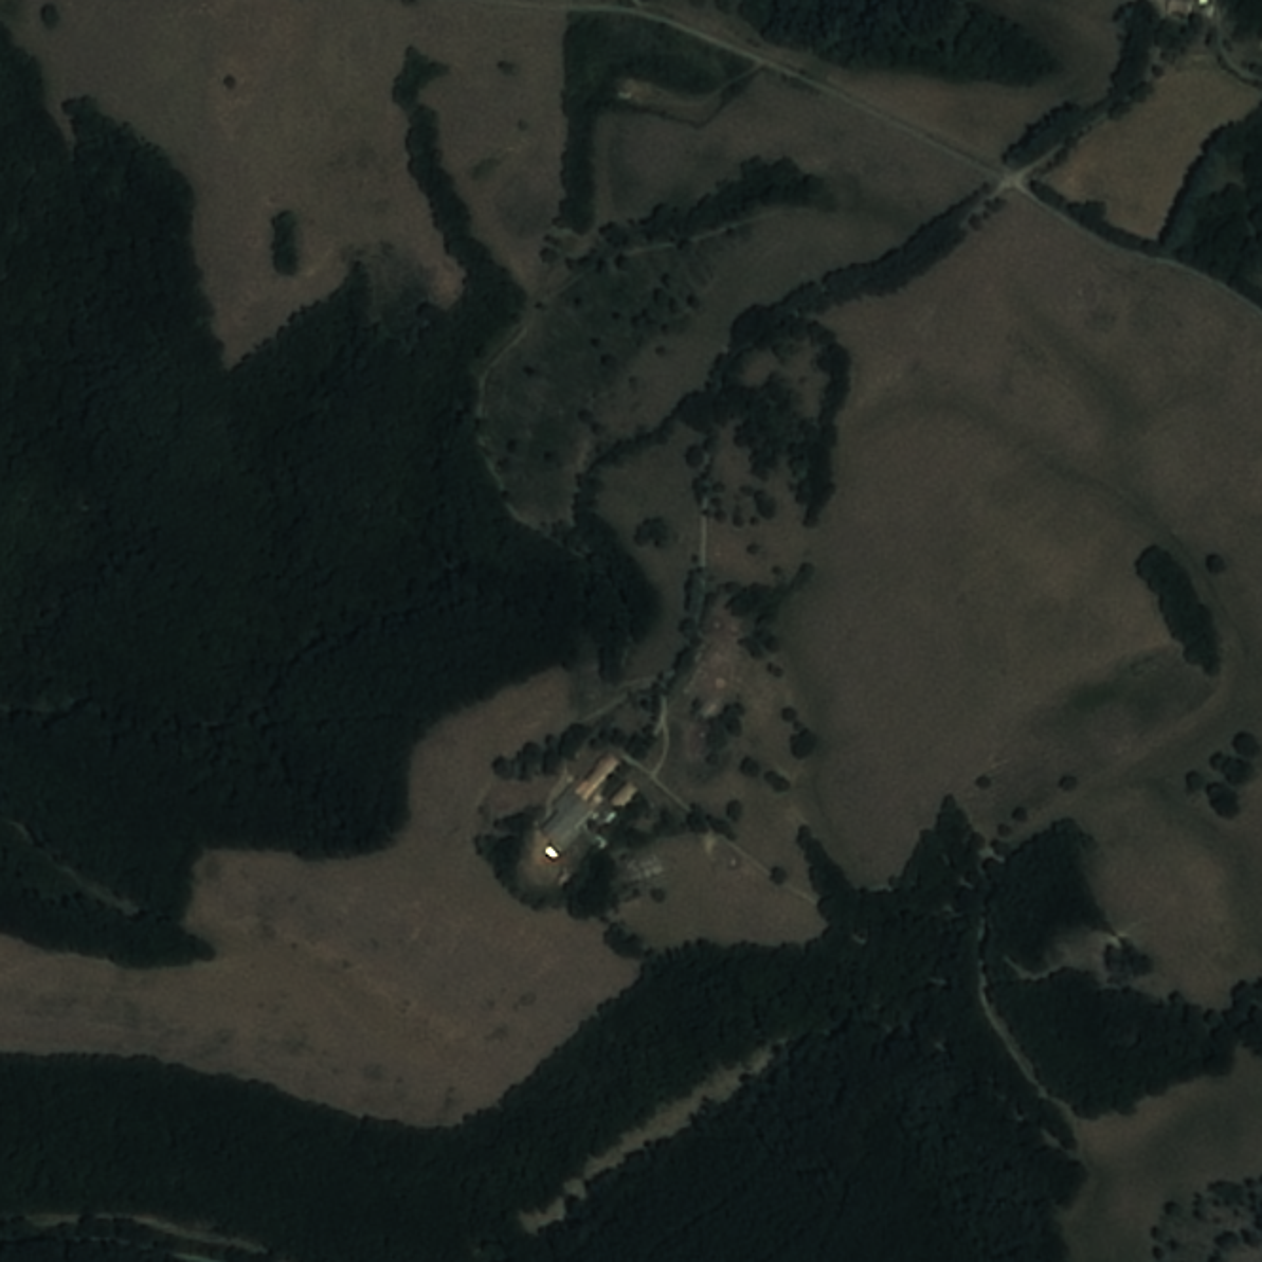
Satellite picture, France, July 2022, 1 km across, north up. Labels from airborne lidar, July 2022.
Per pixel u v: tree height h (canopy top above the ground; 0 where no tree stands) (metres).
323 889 0
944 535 0
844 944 16
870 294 13
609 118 0
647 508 0
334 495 11
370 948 0
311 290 0
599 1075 12
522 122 7
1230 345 0
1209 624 20
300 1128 13
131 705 28
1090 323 0
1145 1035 16
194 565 14
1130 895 0
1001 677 0
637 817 11
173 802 20
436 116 11
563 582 25
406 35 0
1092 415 0
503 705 0
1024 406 0
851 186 0
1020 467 0
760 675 0
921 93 0
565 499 0
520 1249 27
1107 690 0
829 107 0
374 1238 15
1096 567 0
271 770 18
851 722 0
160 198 19
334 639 15
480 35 0
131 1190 15
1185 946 0
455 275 0
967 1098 19
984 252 0
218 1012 0
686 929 0
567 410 0
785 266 0
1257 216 16
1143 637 0
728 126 0
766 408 9
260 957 0
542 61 0
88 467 14
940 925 14
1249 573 0
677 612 0
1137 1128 0
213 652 22
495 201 0
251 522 16
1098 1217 0
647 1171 9
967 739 0
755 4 14
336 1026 0
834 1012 22
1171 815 0
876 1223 14
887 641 0
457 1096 0
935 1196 9
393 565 17
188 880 17
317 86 0
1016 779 0
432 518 16
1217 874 0
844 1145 22
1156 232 0
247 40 0
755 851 0
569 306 0
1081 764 0
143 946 21
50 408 17
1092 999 14
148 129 0
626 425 0
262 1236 15
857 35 25
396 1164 18
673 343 0
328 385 20
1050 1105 14
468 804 0
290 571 21
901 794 0
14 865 7
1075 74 0
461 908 0
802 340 6
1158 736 0
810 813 0
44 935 18
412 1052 0
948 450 0
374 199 0
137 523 17
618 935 13
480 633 18
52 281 8
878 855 0
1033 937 13
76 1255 20
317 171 0
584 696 0
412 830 0
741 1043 6
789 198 16
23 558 14
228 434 12
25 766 19
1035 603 0
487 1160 21
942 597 0
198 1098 16
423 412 10
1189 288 0
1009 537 0
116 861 14
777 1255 9
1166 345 0
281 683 18
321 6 0
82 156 14
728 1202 7
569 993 0
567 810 0
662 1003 21
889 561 0
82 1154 17
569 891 11
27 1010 0
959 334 0
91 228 16
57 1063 13
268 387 11
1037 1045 12
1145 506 0
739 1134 9
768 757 0
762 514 8
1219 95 0
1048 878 17
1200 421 0
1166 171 0
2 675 17
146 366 13
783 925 0
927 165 0
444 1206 17
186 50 0
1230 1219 0
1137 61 13
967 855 19
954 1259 14
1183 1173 0
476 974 0
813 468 14
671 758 0
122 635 20
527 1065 0
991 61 11
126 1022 0
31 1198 21
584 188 16
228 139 0
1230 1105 0
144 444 15
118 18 0
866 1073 23
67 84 0
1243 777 15
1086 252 0
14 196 13
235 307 0
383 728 15
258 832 16
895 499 0
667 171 0
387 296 0
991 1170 23
